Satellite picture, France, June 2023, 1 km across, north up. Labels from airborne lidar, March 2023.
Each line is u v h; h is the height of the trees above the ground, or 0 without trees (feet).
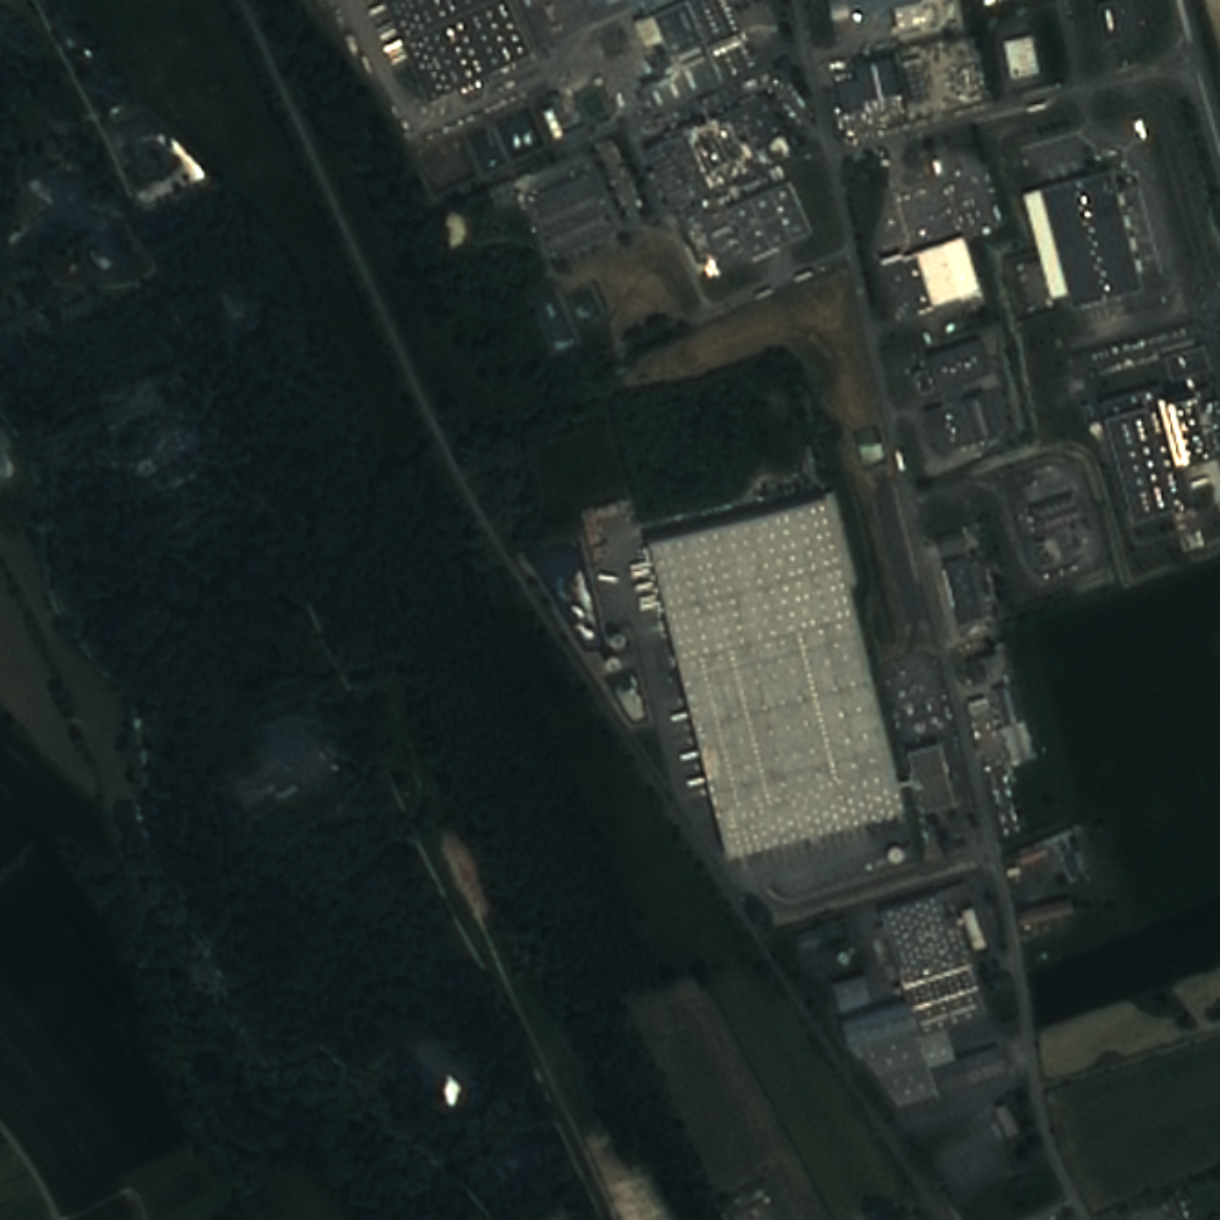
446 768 27
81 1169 0
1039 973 0
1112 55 0
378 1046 80
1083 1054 0
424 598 85
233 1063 18
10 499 0
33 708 0
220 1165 56
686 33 0
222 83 0
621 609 0
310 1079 39
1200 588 0
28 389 44
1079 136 0
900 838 0
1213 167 0
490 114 0
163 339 22
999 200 0
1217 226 0
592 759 0
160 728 19
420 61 0
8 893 0
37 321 0
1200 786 0
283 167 0
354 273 39
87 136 80
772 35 0
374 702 49
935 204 0
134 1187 0
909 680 0
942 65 0
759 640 0
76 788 0
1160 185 0
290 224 0
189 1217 0
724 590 0
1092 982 0
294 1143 97
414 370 0
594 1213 66
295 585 95
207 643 105
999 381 0
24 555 0
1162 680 0
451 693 65
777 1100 0
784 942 0
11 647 0
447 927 23
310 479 74
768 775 0
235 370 31
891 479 0
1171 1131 0
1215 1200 0
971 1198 0
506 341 38
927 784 0
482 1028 96
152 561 31
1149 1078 0
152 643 108
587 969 73
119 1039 0
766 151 0
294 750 0
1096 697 0
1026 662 0
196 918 48
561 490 0
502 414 20
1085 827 0
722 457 26
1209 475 0
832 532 0
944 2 0
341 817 0
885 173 0
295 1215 0
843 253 0
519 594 47
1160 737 0
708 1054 0
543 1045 0
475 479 67
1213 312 0
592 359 26
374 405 0
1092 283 0
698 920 0
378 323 28
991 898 21
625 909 80
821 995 0
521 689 85
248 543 20
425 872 23
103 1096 0
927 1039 0
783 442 0
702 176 0
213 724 23
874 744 0
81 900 0
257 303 24
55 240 36
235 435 74
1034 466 0
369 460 82
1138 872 0
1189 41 0
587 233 0
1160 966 0
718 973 0
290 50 35
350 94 98
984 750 0
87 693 0
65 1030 0
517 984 0
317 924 62
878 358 0
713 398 28
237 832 65
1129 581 0
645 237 0
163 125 0
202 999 41
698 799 0
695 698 0
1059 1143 0
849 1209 0
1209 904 0
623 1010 39
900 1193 0
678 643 0
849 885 0
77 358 24
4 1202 0
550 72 0
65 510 98
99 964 0
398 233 64
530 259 32
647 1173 0
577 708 0
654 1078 38
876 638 0
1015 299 0
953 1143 0
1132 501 0
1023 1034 0
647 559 0
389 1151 63
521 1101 45
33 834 0
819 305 0
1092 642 0
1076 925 0
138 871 32
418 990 28
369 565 81
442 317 36
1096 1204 0
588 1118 0
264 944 87
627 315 0
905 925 0
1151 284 0
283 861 42
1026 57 0
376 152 97
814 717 0
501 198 0
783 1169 0
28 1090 0
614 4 0
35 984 0
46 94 0
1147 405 0
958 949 0
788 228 0
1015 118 0
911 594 0
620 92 0
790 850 0
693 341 0
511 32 0
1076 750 0
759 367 26
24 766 0
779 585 0
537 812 69
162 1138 0
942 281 0
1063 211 0
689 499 28
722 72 0
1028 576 0
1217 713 0
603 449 0
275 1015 85
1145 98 0
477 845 30
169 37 0
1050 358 0
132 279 0
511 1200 57
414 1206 53
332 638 70
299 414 23
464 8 0
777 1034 0
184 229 89
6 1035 0
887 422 0
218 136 0
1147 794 0
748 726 0
